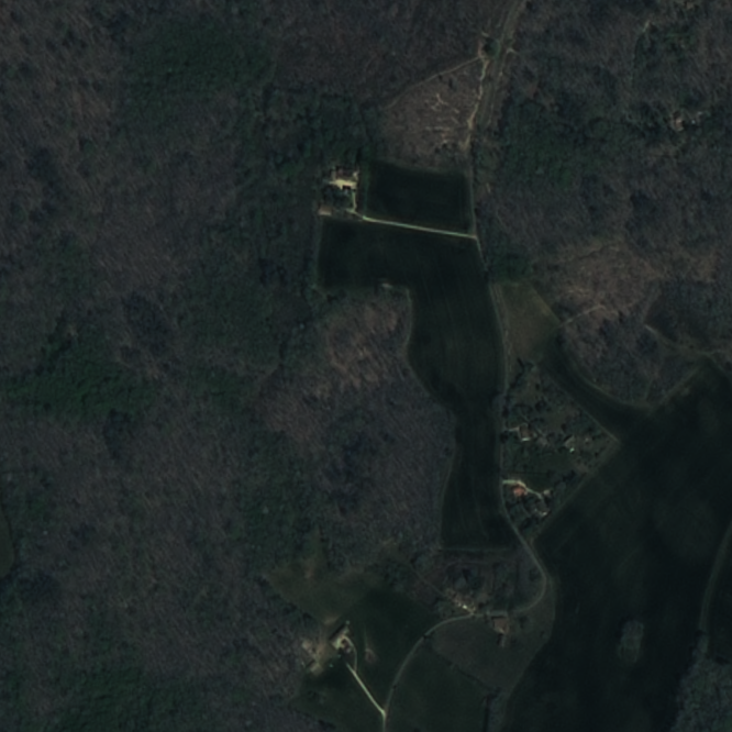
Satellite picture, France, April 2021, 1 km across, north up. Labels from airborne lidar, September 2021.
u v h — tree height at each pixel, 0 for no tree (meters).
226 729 23
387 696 0
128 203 19
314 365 24
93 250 16
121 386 22
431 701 0
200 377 22
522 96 19
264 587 21
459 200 0
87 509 14
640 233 26
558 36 14
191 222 14
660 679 0
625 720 0
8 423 17
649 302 15
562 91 19
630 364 24
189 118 21
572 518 0
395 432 18
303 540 21
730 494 0
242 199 12
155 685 20
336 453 21
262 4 22
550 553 0
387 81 8
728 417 0
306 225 14
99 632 22
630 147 17
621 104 19
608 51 13
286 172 24
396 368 12
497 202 17
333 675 0
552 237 15
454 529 0
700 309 19
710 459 0
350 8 11
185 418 17
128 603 14
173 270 17
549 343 0
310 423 13
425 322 0
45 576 20
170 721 17
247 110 21
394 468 20
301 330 16
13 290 14
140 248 15
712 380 0
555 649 0
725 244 20
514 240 19
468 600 0
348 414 19
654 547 0
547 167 19
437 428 18
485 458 0
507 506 7
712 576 0
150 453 18
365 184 7
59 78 18
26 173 14
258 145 7
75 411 23
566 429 8
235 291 19
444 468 16
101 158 28
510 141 23
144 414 22
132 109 20
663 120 26
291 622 29
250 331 18
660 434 0
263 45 19
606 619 0
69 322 21
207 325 22
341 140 18
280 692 25
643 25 15
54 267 24
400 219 0
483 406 0
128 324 24
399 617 0
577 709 0
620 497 0
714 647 0
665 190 17
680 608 0
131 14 20
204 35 25
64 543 17
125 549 17
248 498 19
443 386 0
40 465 15
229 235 18
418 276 0
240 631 18
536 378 12
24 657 23
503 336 0
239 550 18
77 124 11
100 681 22
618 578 0
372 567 16
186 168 24
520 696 0
